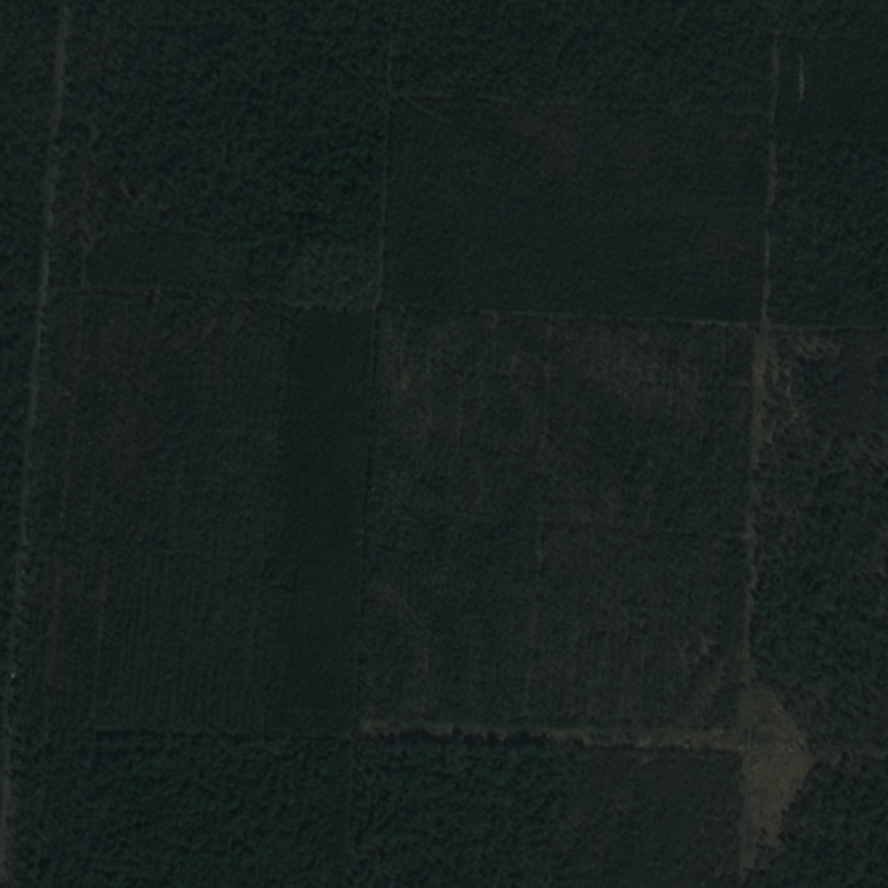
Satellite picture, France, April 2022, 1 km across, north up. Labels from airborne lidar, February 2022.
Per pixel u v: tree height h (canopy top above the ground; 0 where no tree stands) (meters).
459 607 15
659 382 0
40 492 11
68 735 17
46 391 12
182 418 8
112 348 11
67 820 11
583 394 8
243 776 14
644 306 10
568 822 20
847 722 18
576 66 17
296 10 15
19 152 17
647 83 15
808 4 20
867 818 16
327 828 18
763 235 10
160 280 10
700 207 11
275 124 20
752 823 0
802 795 9
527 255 10
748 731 0
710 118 9
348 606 9
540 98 15
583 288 9
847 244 19
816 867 11
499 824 19
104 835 10
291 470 11
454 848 20
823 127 14
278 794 16
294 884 17
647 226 9
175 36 17
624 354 0
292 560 10
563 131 7
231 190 19
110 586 11
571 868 9
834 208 19
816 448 13
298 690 11
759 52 13
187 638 14
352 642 7
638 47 16
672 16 15
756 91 13
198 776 15
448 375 10
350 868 7
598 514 11
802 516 14
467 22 14
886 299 15
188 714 13
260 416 18
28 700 11
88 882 18
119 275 11
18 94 20
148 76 16
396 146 14
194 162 12
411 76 13
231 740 16
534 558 9
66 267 7
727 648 12
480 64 10
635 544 10
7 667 17
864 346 9
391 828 21
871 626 21
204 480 17
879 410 7
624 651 10
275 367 14
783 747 0
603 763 7
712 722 8
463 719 11
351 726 8
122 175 19
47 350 9
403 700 13
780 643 20
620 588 10
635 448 9
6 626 18
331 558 9
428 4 13
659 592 11
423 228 8
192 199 15
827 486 17
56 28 16
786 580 17
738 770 8
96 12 17
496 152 8
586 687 14
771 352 0
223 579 14
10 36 18
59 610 10
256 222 6
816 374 12
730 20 8
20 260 14
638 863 8
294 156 17
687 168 6
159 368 9
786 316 9
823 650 18
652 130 7
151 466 8
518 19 13
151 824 21
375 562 13
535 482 10
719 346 9
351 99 21
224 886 19
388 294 12
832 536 16
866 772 14
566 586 10
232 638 8
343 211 20
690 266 7
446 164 13
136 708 15
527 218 11
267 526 13
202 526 15
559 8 16
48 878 18
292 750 17
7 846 19
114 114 21
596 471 9
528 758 17
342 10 20
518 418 8
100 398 9
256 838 17
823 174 16
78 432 9
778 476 10
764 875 9
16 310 13
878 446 15
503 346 11
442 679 11
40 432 11
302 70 11
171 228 6
